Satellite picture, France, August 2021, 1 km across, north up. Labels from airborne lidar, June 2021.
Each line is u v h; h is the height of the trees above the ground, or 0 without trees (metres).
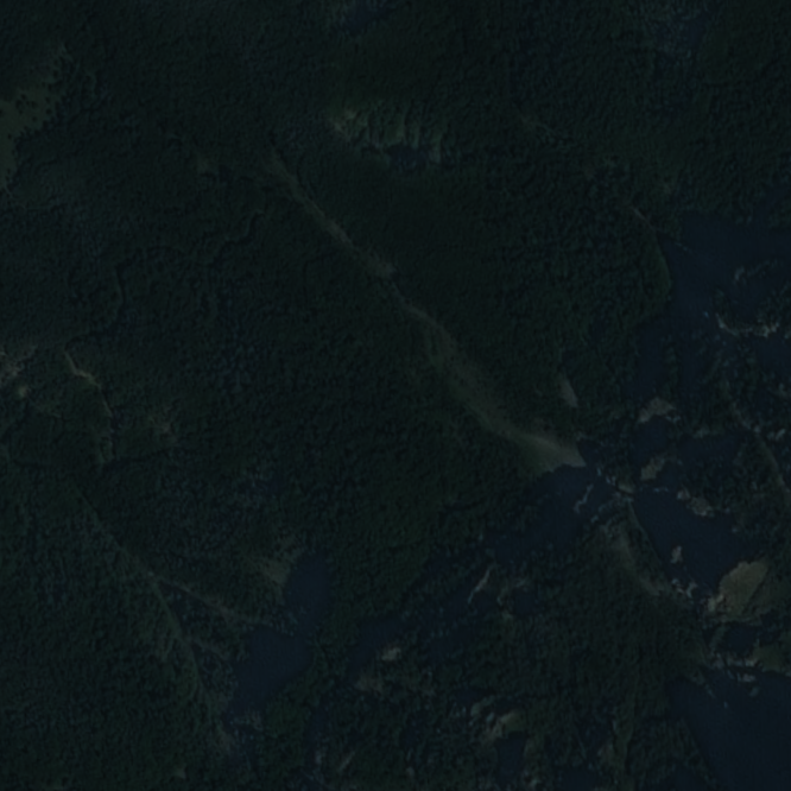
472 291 13
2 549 18
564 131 25
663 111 11
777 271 20
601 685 6
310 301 17
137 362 15
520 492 8
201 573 16
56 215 15
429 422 16
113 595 15
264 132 7
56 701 15
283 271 16
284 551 7
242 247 18
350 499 22
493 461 7
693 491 14
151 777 13
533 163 27
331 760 9
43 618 21
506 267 22
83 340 10
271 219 7
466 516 18
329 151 13
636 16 11
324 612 13
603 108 26
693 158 14
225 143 6
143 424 15
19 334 18
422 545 24
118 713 19
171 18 21
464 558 16
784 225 14
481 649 15
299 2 16
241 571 8
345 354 15
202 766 10
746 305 10
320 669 15
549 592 8
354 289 13
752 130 24
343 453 22
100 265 18
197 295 30
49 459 13
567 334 14
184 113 17
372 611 21
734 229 14
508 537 8
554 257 24
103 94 16
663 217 19
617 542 0
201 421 21
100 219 17
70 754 12
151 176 30
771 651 0
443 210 20
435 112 20
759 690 0
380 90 15
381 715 14
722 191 21
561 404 9
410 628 7
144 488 15
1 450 11
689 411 7
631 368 12
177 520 11
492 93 21
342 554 23
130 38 18
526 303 21
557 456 0
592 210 23
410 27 22
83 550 13
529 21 15
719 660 0
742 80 21
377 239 14
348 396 23
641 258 18
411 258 15
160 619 9
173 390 14
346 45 18
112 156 21
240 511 15
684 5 9
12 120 0
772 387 6
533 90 31
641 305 22
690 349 12
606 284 18
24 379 8
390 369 6
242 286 17
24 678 16
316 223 11
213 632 10
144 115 27
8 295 26
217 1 11
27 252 20
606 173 17
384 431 22
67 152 17
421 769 8
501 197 28
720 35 16
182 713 14
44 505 16
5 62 18
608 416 11
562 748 7
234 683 6
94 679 17
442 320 12
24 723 11
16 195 16
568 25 24
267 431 19
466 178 27
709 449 0
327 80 19
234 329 28
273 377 17
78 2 21
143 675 22
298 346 17
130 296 8
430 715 14
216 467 23
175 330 14
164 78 8
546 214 23
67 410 16
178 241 20
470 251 18
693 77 19
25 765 25
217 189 22
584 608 8
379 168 6
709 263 10
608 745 7
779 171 17
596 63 24
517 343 15
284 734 11
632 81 23
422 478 20
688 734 6
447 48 20
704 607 6
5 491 23
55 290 20
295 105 17
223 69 24
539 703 7
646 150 12
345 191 19
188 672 8
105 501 16
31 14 31
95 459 24
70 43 22
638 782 7
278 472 15
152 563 15
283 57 18
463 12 25
